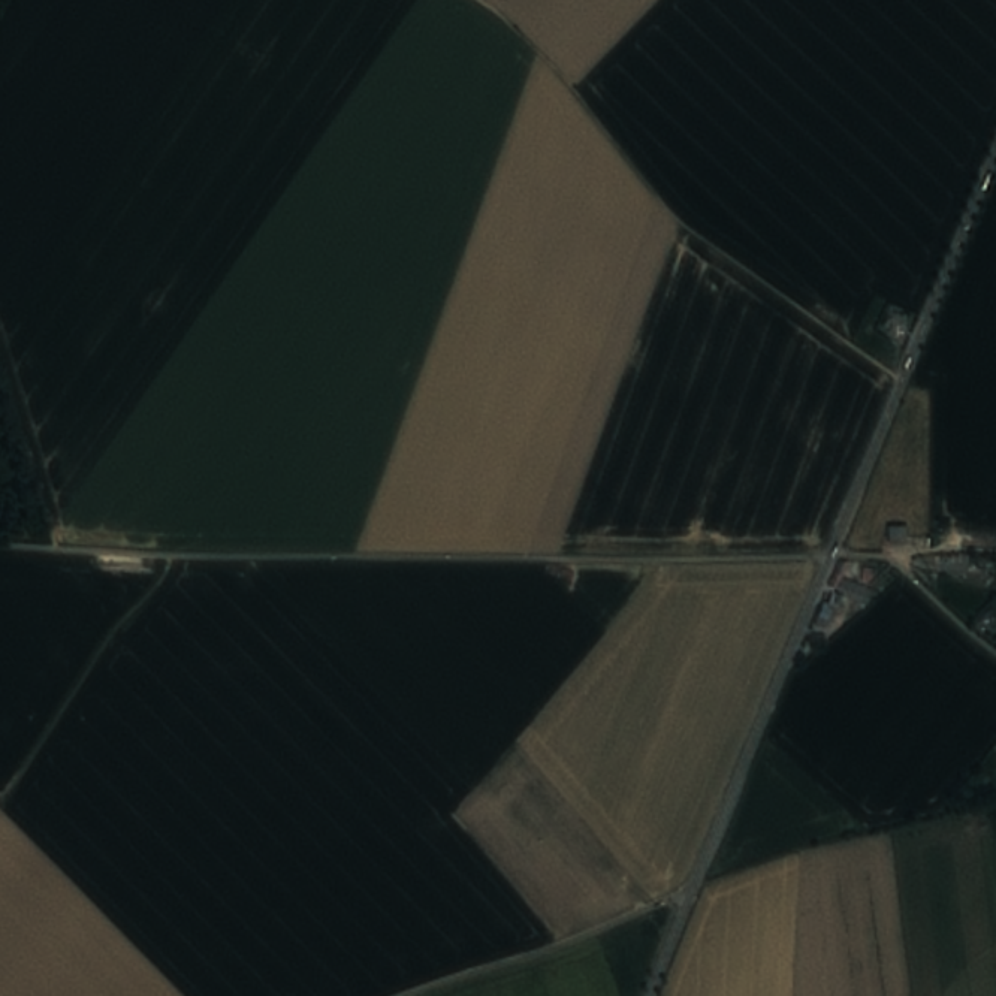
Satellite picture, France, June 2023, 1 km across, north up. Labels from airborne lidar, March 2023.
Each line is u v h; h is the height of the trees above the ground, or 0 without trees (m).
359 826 0
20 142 0
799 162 0
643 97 0
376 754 0
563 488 0
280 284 0
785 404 0
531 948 0
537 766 0
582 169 0
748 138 0
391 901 0
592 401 0
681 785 0
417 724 0
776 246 0
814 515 0
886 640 0
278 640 0
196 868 0
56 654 0
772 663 0
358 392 0
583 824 0
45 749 0
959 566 0
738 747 0
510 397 0
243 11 0
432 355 0
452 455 0
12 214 0
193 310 0
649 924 0
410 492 0
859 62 0
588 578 0
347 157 0
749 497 0
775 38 0
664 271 0
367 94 0
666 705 0
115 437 0
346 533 0
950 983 0
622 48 0
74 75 0
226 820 0
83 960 0
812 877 0
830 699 0
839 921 0
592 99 0
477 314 0
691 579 0
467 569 0
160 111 0
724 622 0
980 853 0
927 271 0
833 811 0
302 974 0
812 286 0
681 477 0
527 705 0
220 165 0
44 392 0
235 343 0
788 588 0
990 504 0
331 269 0
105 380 0
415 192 0
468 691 0
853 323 0
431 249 0
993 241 0
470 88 0
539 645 0
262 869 0
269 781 0
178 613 0
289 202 0
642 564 0
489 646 0
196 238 0
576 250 0
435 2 0
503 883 0
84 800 0
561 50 0
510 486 0
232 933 0
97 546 0
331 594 0
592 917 0
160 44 0
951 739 0
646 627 0
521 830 0
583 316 0
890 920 0
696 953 0
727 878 0
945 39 0
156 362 0
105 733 0
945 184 0
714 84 0
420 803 0
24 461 27
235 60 0
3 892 0
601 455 0
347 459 0
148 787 0
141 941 0
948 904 0
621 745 0
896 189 0
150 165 0
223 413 0
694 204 0
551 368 0
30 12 0
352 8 0
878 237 0
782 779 0
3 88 0
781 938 0
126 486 0
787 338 0
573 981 0
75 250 0
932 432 0
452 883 0
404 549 0
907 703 0
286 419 0
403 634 0
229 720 0
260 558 0
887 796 0
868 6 0
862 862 0
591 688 0
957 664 0
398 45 0
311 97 0
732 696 0
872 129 0
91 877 0
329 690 0
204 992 0
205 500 0
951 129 0
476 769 0
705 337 0
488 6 0
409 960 0
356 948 0
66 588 0
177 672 0
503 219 0
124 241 0
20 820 0
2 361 28
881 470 0
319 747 0
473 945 0
